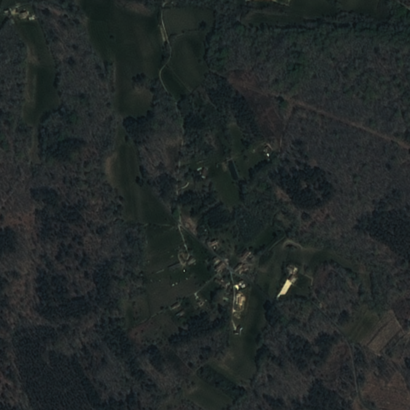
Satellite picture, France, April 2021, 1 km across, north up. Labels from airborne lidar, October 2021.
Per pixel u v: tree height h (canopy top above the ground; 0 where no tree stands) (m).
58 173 10
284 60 17
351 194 12
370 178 12
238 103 21
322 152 12
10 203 11
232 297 16
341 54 17
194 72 0
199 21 0
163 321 0
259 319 0
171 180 21
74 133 19
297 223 21
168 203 20
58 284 22
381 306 22
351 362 15
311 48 15
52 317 18
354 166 18
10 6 0
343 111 15
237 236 8
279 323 17
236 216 19
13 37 14
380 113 12
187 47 0
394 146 17
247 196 22
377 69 16
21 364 20
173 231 0
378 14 0
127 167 0
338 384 6
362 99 17
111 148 20
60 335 22
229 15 11
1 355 23
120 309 24
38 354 19
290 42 23
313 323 17
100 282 26
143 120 0
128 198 0
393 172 28
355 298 18
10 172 7
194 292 0
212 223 16
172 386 9
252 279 18
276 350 19
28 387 18
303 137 18
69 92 21
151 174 9
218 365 0
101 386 16
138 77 0
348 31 22
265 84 10
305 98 14
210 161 0
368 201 14
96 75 15
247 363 0
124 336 19
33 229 8
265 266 0
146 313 0
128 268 22
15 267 17
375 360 20
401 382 0
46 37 14
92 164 15
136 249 23
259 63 7
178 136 24
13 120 16
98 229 9
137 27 0
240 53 16
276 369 15
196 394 0
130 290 21
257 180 26
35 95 0
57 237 17
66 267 7
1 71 15
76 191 6
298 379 18
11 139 17
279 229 9
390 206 21
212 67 19
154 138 25
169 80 0
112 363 16
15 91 11
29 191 12
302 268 0
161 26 0
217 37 24
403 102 17
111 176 0
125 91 0
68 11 14
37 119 0
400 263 10
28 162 16
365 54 11
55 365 18
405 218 17
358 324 0
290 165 26
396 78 8
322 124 7
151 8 22
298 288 0
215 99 24
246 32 23
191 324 13
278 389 15
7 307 16
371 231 12
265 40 22
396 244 26
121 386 10
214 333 24
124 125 0
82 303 17
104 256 12
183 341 21
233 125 14
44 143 26
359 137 12
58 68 15
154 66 0
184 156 15
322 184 19
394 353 21
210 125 14
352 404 15
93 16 0
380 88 19
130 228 9
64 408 20
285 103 21
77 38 14
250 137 11
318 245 20
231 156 15
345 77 18
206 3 22
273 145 16
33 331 15
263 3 0
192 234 0
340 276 18
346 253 20
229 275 6
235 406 15
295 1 0
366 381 16
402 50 19
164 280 0
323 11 0
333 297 18
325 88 13
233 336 0
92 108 19
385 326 0
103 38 0
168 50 15
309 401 15
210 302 10
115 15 0
